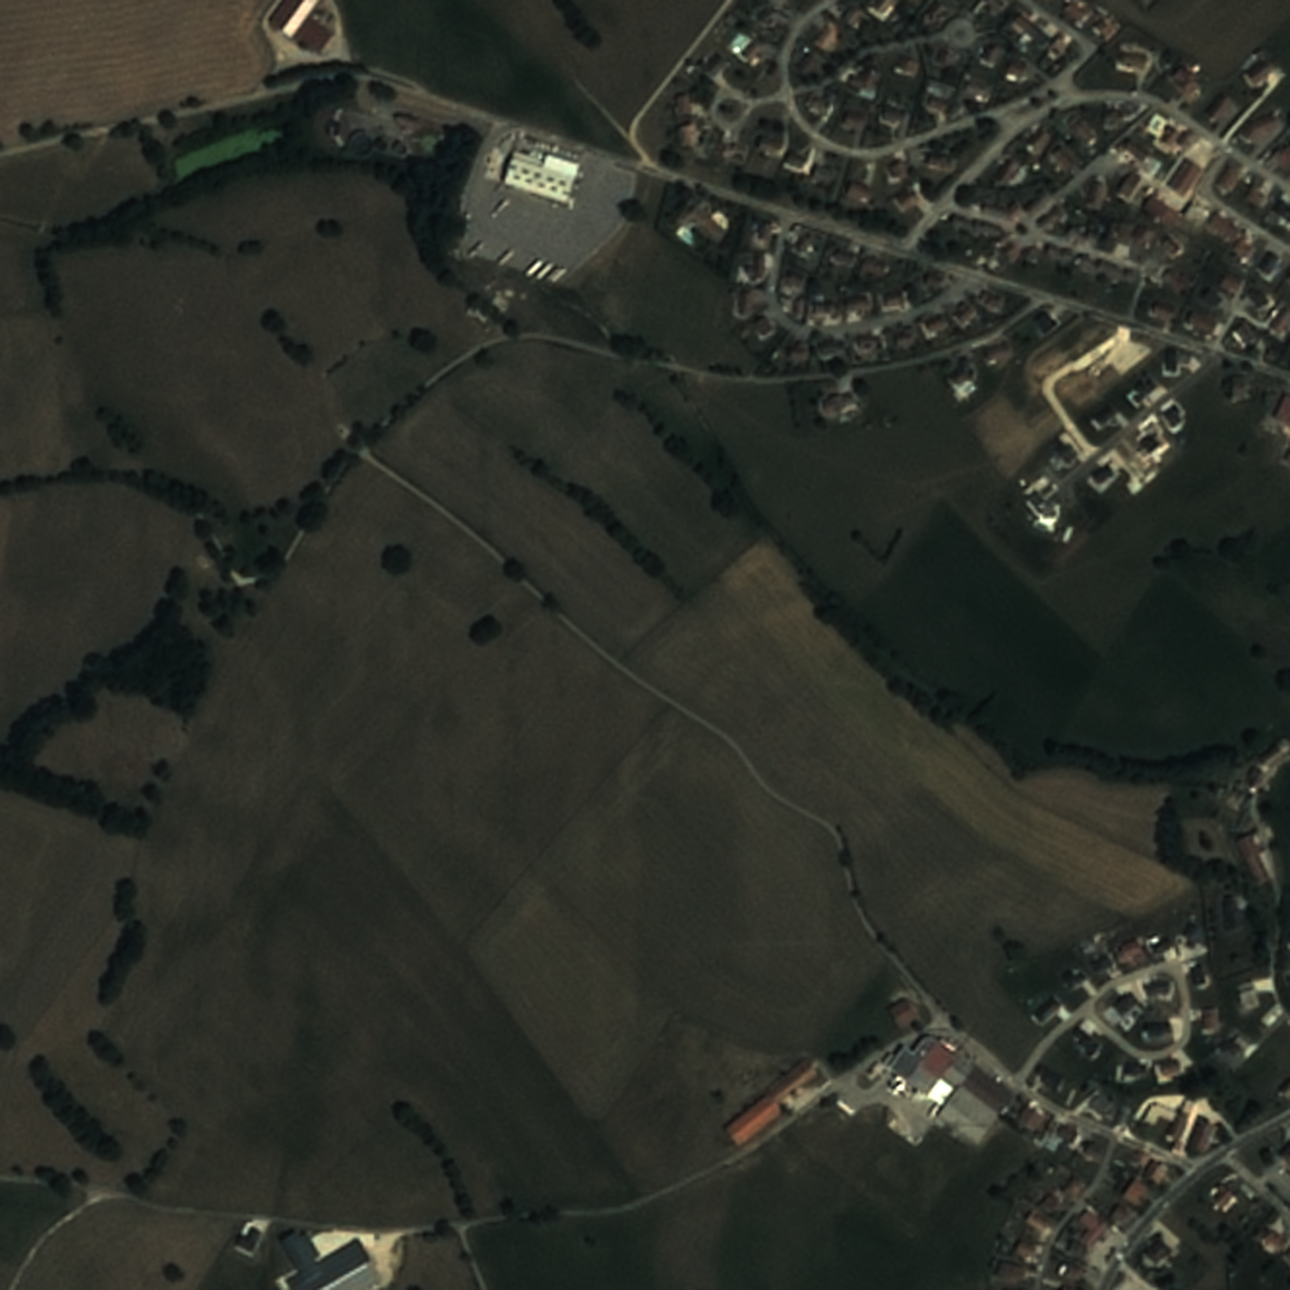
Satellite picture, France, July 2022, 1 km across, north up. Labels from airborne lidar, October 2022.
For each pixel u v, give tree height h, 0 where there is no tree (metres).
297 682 0
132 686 21
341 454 10
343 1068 0
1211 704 0
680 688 0
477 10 0
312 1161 0
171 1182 0
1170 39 0
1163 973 0
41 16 0
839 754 0
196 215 0
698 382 0
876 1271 0
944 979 0
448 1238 15
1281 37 0
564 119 0
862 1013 0
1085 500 0
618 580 0
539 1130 0
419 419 0
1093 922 0
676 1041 0
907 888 0
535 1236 0
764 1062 0
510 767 0
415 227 16
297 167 9
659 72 0
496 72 0
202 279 0
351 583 0
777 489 0
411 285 0
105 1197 0
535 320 0
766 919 0
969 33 0
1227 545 10
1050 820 0
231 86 0
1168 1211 0
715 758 0
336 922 0
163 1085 0
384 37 0
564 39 0
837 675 0
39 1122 0
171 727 0
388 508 0
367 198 0
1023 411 0
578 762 0
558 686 0
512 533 0
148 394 0
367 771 0
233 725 0
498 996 0
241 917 0
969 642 0
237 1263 0
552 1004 0
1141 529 0
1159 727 0
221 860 0
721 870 0
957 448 0
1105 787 0
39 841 0
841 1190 0
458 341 0
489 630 15
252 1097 0
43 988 0
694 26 0
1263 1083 0
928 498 0
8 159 0
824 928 0
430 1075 0
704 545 0
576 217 0
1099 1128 0
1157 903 0
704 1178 0
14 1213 0
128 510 0
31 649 0
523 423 0
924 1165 0
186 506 10
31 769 17
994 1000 0
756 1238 0
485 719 0
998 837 0
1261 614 0
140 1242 0
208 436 0
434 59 0
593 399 0
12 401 0
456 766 0
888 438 0
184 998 0
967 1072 0
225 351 0
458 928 0
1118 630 0
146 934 12
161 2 0
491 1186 0
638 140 0
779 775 0
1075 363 0
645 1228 0
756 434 0
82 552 0
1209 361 0
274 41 0
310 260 0
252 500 0
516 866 0
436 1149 11
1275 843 6
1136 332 0
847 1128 0
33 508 0
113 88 0
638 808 0
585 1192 0
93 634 0
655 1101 0
